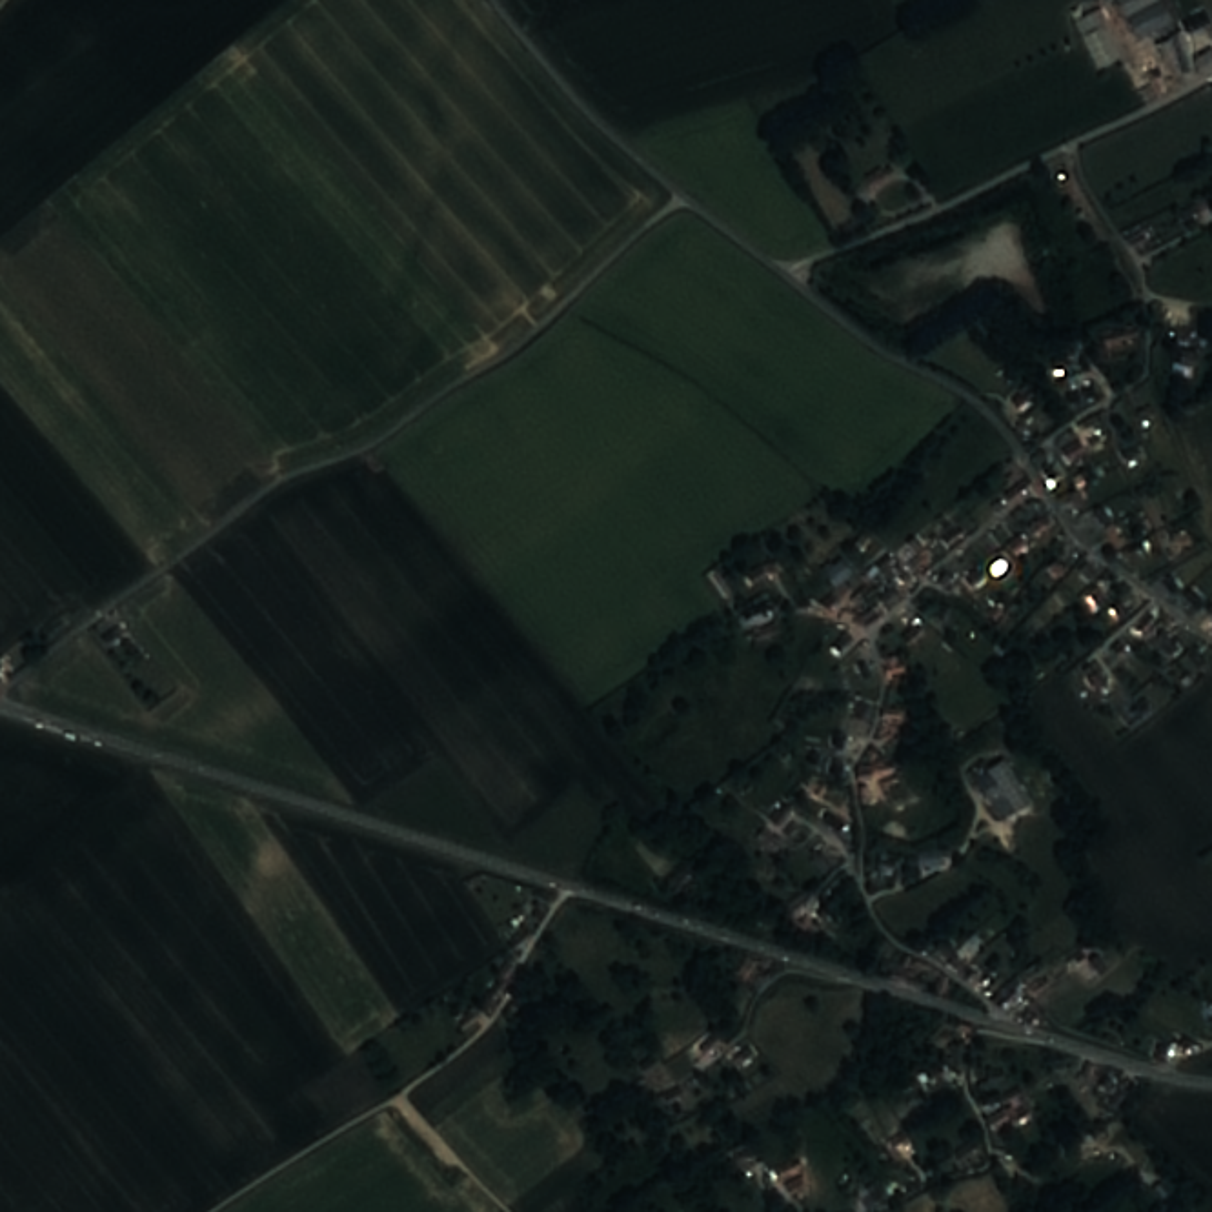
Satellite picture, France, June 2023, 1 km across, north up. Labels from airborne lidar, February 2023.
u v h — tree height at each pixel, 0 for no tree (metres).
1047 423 0
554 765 0
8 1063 0
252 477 0
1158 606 0
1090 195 7
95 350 0
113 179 0
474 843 0
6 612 0
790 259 0
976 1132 14
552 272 0
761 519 0
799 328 0
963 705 0
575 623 0
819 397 0
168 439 0
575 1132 0
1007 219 0
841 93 28
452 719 0
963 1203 0
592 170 0
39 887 0
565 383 0
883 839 6
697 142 0
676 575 0
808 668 0
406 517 0
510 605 0
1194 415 0
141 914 0
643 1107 11
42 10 0
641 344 0
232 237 0
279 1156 0
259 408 0
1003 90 0
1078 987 0
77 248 0
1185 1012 0
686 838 9
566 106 0
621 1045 21
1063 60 0
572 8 0
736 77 0
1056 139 0
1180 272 0
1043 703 0
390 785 0
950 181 0
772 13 0
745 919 12
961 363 0
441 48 0
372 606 0
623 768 0
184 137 0
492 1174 0
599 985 0
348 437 0
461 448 0
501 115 0
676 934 7
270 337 0
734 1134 11
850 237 15
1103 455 0
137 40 0
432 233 0
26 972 0
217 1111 0
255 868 0
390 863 0
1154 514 0
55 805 0
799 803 8
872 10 0
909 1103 0
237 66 0
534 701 0
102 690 0
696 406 0
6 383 0
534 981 9
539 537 0
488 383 0
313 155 0
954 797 11
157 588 0
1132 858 0
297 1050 0
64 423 0
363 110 0
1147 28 0
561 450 0
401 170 0
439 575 0
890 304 0
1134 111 0
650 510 0
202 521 0
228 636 0
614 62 0
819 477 0
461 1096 0
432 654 0
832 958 10
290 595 0
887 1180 0
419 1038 0
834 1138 0
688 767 0
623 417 0
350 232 0
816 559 0
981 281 0
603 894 0
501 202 0
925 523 0
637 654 0
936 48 0
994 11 0
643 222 0
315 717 0
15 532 0
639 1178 0
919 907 0
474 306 0
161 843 0
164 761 0
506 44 0
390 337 0
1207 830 0
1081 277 0
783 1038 0
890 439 0
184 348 0
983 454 0
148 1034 0
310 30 0
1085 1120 13
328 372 0
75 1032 0
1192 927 0
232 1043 0
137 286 0
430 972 0
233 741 0
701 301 0
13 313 0
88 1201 0
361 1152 0
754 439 0
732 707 0
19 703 0
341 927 0
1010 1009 0
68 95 0
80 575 0
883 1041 6
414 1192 0
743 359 0
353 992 0
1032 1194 13
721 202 0
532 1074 17
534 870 0
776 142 27
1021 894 0
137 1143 0
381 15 0
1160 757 0
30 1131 0
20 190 0
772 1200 17
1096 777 0
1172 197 0
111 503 0
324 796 0
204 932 0
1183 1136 0
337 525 0
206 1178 0
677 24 0
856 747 0
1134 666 0
